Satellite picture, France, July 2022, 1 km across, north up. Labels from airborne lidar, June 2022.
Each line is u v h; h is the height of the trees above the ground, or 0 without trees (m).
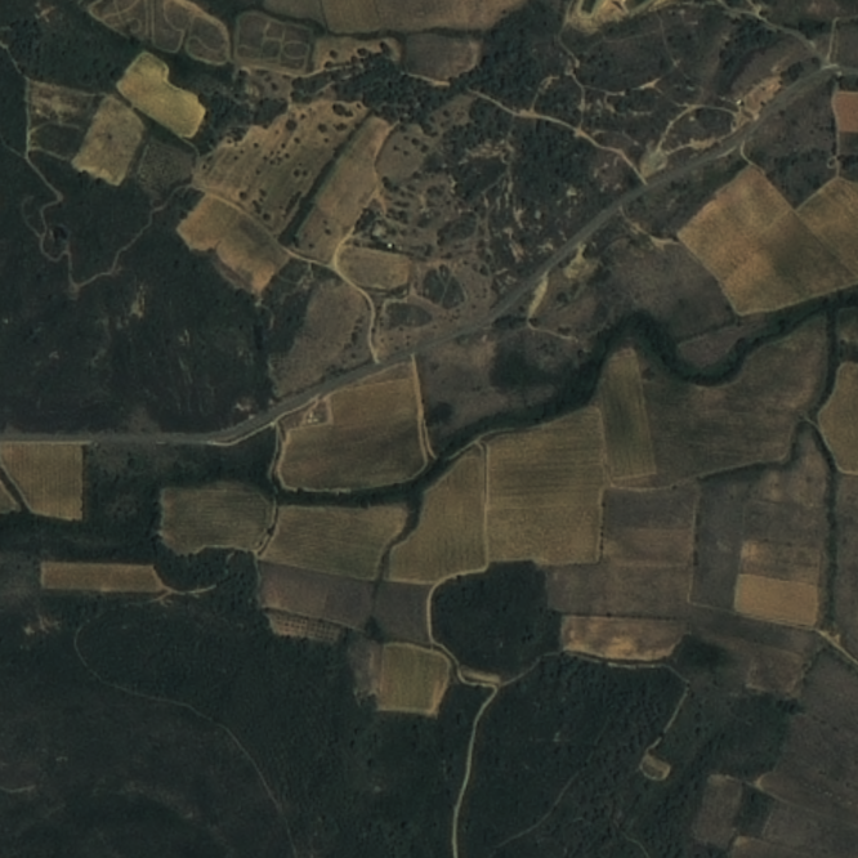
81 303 0
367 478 0
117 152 0
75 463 0
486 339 0
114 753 0
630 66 0
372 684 0
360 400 0
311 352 0
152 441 0
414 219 0
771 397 0
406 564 0
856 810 0
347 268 0
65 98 0
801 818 0
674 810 9
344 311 0
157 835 0
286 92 0
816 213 0
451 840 0
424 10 0
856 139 0
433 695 0
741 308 0
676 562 0
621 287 0
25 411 0
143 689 6
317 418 0
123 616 6
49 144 0
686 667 0
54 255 0
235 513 0
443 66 0
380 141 0
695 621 0
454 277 0
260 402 0
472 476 0
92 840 0
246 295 7
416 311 0
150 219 0
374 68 10
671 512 0
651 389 0
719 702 0
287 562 0
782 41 0
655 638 0
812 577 0
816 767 0
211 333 0
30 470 0
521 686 9
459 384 0
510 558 0
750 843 0
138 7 0
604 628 0
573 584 0
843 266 0
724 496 0
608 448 0
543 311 0
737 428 0
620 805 9
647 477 0
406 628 0
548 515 0
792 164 7
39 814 0
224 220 0
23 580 0
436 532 0
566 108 7
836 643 0
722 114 0
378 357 0
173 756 0
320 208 0
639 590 0
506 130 8
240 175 0
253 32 0
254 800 0
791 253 0
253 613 6
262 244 0
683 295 0
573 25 0
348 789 6
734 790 0
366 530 0
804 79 0
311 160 0
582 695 8
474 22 0
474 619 0
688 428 0
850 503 0
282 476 0
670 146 0
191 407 0
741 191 0
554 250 0
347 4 0
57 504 0
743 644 0
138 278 0
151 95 0
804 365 0
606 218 0
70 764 0
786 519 0
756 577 0
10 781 0
